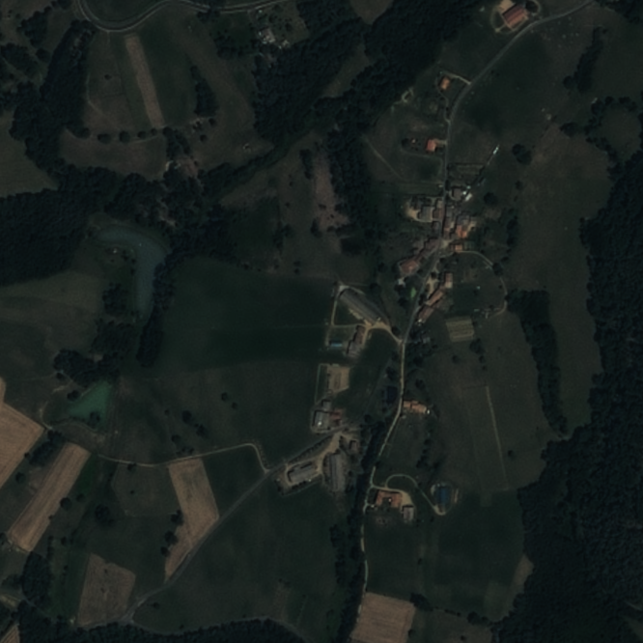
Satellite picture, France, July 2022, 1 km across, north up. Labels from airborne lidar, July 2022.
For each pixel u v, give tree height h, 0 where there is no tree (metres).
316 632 0
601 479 22
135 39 0
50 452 12
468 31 0
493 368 0
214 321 0
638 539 14
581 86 16
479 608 0
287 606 0
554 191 0
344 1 9
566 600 18
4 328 0
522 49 0
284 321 0
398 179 0
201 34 0
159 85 0
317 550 0
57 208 17
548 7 0
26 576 12
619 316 18
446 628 0
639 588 18
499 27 0
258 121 10
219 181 15
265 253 0
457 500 0
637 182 19
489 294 0
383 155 0
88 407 0
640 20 17
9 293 0
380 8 0
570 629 6
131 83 0
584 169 0
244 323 0
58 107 23
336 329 0
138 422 0
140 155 0
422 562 9
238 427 0
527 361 0
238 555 0
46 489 0
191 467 0
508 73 0
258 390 0
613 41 0
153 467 0
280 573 0
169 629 0
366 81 18
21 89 20
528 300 12
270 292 0
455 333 0
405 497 0
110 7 0
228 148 0
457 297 0
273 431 0
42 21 16
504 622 9
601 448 24
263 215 0
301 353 0
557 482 18
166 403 0
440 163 0
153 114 0
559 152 0
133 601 0
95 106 0
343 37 14
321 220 0
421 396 0
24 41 0
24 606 17
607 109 25
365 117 19
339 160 22
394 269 8
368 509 8
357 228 9
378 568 0
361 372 0
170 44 0
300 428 0
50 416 0
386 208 0
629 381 21
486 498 0
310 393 0
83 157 0
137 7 0
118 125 0
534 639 28
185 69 0
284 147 8
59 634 22
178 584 0
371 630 0
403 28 24
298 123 14
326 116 21
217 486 0
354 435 0
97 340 7
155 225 21
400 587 0
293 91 22
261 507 0
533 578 11
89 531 0
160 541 0
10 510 0
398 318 0
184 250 23
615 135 0
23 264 21
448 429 0
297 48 16
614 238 11
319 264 0
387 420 6
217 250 11
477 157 0
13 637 0
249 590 0
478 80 0
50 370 0
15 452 0
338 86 0
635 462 24
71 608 0
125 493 0
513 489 0
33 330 0
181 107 0
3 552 0
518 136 0
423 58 18
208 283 0
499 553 0
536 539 15
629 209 13
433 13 22
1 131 0
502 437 0
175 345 0
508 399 0
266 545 0
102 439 0
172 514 0
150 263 0
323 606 0
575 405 0
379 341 0
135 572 0
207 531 0
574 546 24
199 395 0
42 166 22
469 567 0
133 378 0
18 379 0
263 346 0
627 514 20
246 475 0
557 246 0
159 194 18
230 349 0
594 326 0
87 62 14
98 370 20
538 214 0
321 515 0
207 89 20
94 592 0
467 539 0
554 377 13
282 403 0
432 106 0
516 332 0
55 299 0
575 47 0
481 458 0
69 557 0
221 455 0
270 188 0
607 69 0
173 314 0
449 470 0
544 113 0
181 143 15
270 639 15
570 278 0
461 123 0
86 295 0
